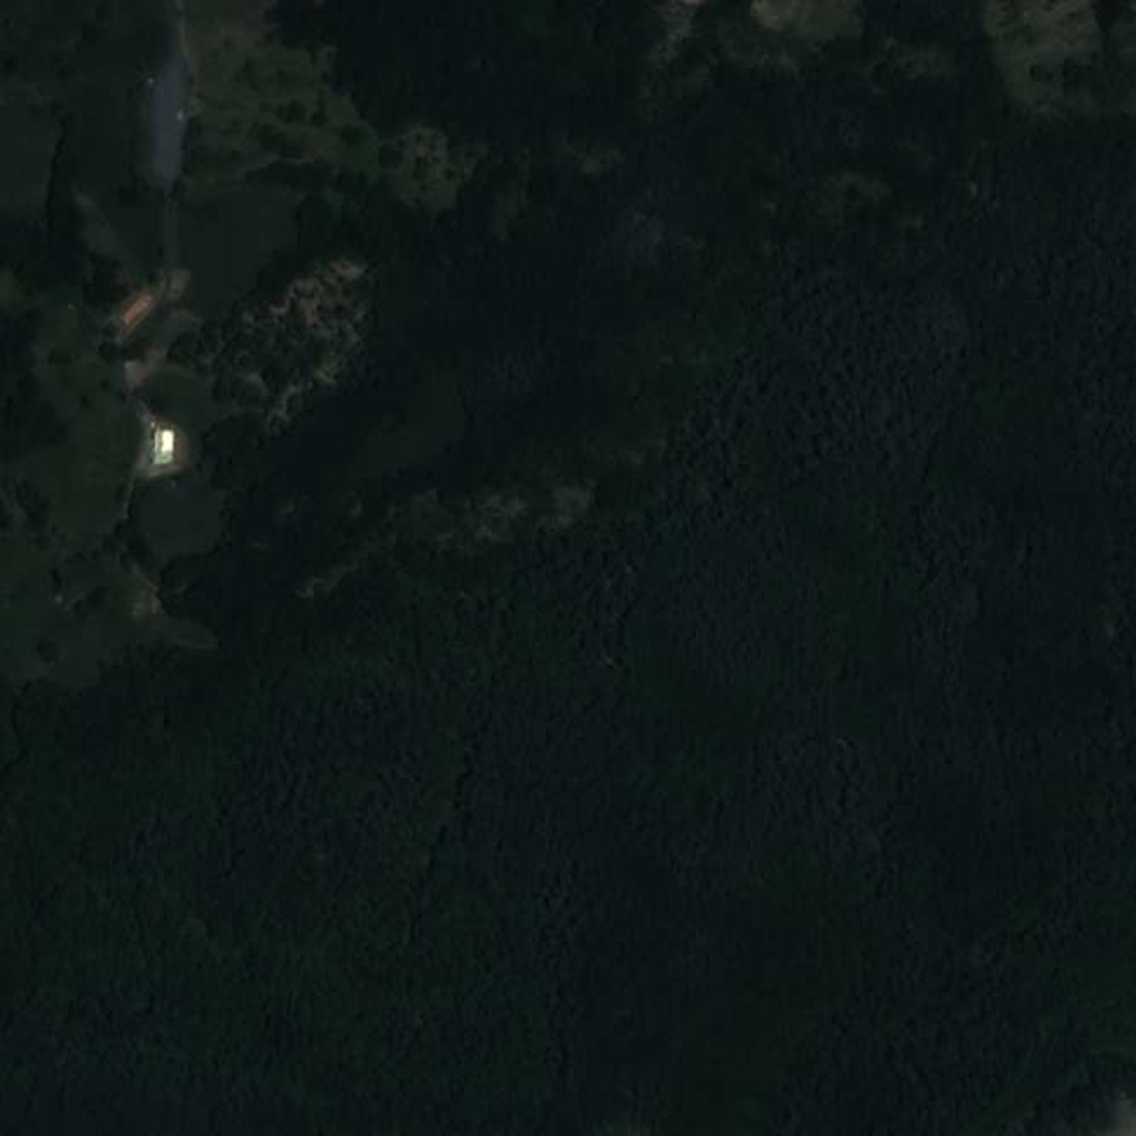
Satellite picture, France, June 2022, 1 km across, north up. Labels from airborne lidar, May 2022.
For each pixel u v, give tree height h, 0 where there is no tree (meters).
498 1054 14
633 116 19
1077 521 21
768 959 23
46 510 13
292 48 9
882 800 21
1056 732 22
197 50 0
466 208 13
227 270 0
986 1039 12
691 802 17
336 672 8
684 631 24
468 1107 8
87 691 8
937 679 16
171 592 10
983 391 22
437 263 17
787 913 23
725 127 20
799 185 8
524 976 13
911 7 15
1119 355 17
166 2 0
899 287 20
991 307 23
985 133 16
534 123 14
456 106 21
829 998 21
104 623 0
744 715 22
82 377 0
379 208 19
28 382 13
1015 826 26
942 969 24
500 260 17
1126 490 13
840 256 17
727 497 14
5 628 0
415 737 15
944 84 20
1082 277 22
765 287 18
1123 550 11
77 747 14
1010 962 13
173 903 8
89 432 0
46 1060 20
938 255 15
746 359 11
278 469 15
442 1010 7
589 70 22
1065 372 19
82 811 11
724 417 12
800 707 27
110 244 0
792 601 20
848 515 20
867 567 22
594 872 19
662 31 6
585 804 18
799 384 12
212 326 15
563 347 17
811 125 9
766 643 20
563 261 21
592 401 23
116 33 0
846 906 23
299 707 15
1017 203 18
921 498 11
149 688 17
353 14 21
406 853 16
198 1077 15
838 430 9
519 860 15
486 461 13
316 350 19
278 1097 14
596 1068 17
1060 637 22
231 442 16
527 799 18
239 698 14
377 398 16
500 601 20
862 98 16
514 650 13
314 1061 9
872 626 24
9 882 11
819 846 21
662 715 21
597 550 9
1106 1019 7
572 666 11
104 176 0
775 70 7
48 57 0
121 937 12
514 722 21
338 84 9
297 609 15
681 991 17
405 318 15
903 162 8
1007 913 23
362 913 9
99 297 14
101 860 15
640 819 19
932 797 22
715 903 22
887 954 22
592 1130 12
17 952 18
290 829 8
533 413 18
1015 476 25
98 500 0
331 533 11
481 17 25
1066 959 8
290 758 10
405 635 11
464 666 13
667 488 20
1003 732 20
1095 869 9
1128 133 20
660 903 20
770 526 23
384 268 18
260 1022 6
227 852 19
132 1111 15
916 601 29
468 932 16
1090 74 14
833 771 23
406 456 0
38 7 0
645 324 22
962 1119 9
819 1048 23
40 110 8
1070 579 23
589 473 13
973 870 25
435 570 14
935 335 14
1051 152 28
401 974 16
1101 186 23
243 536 14
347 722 7
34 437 19
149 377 0
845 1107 18
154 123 0
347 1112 11
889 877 11
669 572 23
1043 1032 7
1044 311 16
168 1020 18
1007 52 0
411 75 19
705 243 13
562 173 13
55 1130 12
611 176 16
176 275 0
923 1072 14
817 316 20
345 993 8
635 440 23
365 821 8
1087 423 19
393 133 12
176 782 12
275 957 13
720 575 25
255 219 0
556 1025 12
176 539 0
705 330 18
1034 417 20
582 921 19
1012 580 22
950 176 13
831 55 14
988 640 24
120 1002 17
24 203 0
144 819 14
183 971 17
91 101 0
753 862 23
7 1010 9
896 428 12
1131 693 6
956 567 20
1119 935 10
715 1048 16
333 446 19
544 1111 7
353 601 18
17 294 0
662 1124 11
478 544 8
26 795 11
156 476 0
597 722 20
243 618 19
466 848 18
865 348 9
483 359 13
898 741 19
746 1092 19
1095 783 16
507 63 18
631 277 12
